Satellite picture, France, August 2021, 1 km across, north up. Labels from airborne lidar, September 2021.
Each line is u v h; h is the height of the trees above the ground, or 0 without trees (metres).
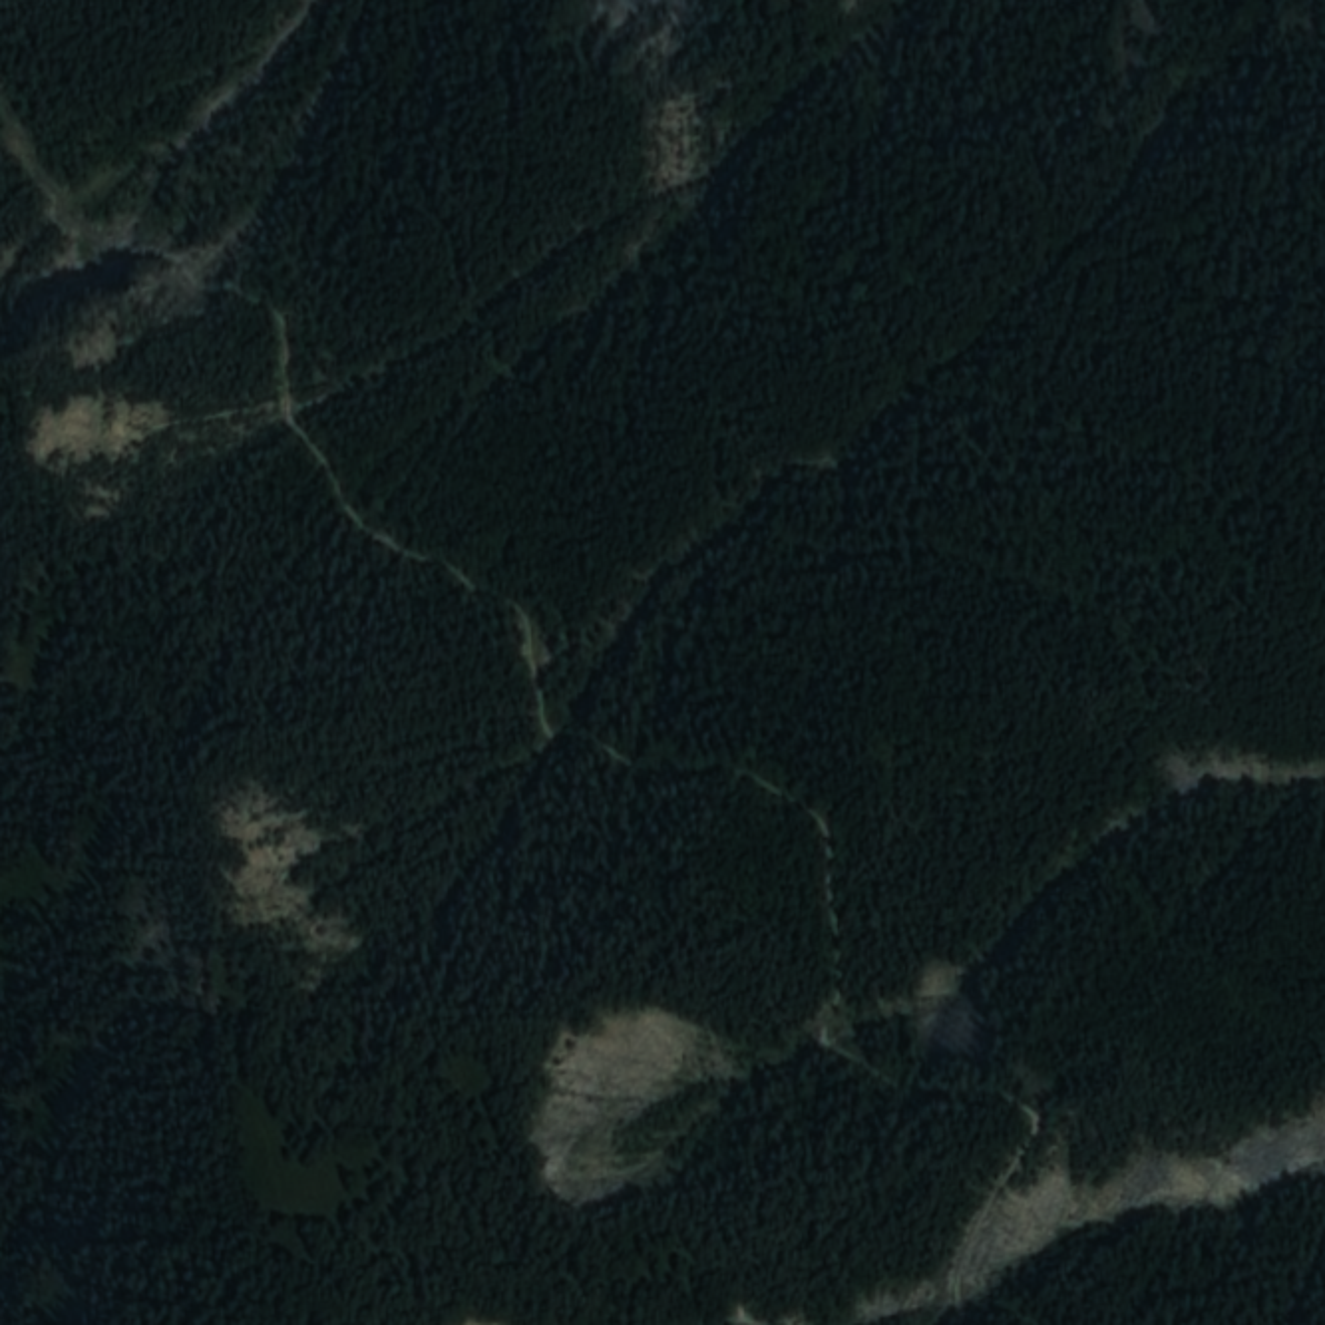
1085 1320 25
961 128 14
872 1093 9
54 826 22
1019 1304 11
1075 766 20
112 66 21
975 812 27
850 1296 18
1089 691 29
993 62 27
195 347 14
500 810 31
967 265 21
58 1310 0
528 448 16
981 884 29
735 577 26
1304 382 14
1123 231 23
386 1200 25
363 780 22
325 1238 25
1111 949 15
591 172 18
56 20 20
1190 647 27
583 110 29
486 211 16
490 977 25
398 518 12
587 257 16
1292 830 24
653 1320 20
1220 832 15
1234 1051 15
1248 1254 13
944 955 24
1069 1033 11
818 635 17
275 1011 29
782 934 12
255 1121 0
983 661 21
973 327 25
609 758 8
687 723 26
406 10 24
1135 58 7
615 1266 19
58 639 13
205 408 5
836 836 11
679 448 23
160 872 16
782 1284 29
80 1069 0
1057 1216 0
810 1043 7
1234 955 18
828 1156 29
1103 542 20
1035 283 14
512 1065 21
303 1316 23
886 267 28
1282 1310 25
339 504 12
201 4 22
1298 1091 14
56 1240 12
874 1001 32
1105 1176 10
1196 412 29
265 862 0
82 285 0
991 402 26
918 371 32
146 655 12
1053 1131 17
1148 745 27
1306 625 26
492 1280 25
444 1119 18
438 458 19
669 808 11
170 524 15
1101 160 23
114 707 16
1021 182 35
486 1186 28
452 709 23
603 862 25
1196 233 28
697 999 26
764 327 23
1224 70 18
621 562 19
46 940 26
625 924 9
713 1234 21
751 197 23
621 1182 0
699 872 13
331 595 29
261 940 13
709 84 21
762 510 10
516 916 7
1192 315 27
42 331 6
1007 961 13
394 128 20
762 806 15
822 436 24
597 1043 0
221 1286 16
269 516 16
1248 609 30
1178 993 14
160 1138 25
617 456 20
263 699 18
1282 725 20
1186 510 28
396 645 26
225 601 23
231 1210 19
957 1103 10
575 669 30
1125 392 27
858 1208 27
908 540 9
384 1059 29
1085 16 22
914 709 11
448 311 23
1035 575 12
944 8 17
